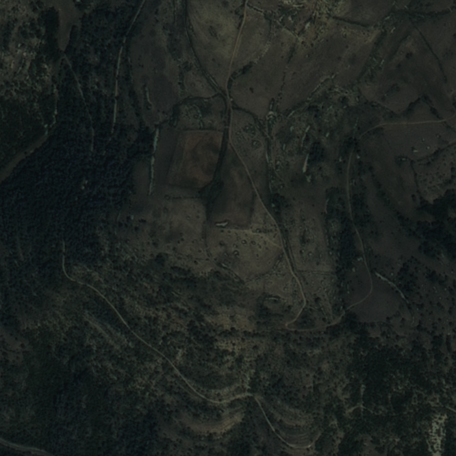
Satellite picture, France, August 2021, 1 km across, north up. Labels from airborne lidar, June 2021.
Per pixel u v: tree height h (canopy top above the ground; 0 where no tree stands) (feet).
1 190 27
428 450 30
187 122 0
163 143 0
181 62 0
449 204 34
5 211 44
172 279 21
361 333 26
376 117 0
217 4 0
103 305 25
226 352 23
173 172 0
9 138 22
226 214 0
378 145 0
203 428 0
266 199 0
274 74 0
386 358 29
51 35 34
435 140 0
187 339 22
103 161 31
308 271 0
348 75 0
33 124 30
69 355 27
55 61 19
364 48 0
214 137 0
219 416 26
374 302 0
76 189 27
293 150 0
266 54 0
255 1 0
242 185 0
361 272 0
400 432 21
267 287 0
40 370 22
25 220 22
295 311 0
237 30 0
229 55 0
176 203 0
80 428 35
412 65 0
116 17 45
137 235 0
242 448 28
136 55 0
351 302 0
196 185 0
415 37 0
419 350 38
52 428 31
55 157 27
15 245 33
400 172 0
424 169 0
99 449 37
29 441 41
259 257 0
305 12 0
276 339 28
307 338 20
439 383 24
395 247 0
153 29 0
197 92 0
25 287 30
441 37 0
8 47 26
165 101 0
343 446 38
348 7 0
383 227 0
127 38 24
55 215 26
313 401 25
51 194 36
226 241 0
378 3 0
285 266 0
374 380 29
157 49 0
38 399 26
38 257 23
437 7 0
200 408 30
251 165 0
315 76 0
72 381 25
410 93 0
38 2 31
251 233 0
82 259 23
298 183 0
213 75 0
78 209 24
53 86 23
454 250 35
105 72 23
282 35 0
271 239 0
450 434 23
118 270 25
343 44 0
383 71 0
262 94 0
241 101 0
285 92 0
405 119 0
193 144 0
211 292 0
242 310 0
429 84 0
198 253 0
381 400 26
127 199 23
